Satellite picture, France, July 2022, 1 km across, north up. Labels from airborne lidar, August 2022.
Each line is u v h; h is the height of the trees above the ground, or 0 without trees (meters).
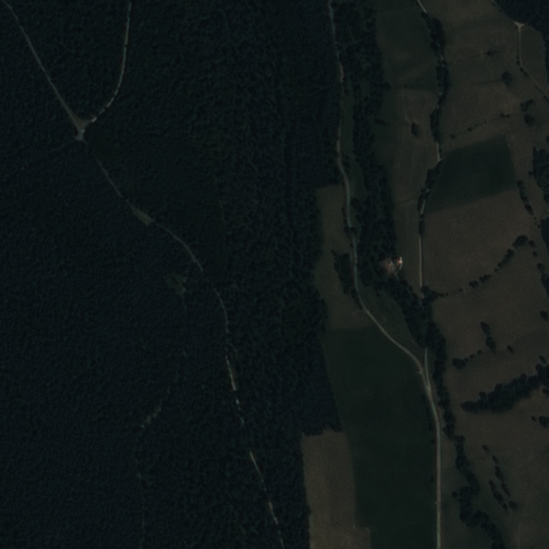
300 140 30
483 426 0
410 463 0
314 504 0
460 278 0
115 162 13
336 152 16
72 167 18
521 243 13
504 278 0
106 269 19
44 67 14
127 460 25
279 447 30
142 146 16
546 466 0
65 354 23
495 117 0
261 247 26
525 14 27
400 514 0
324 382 29
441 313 0
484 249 0
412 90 0
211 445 16
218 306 15
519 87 0
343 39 14
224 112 30
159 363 18
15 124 24
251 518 15
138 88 14
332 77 32
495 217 0
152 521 22
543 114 0
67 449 22
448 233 0
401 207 0
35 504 20
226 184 23
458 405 0
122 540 20
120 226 20
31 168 17
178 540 21
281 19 13
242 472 29
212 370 15
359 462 0
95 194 17
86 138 17
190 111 26
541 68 0
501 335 0
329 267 0
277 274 21
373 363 0
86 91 11
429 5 0
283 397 34
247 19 10
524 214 0
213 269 15
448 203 0
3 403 21
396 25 0
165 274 24
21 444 14
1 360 17
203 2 29
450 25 0
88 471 19
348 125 0
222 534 14
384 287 25
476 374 0
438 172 13
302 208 30
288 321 12
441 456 0
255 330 11
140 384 14
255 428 35
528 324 0
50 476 22
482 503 0
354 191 0
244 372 8
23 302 18
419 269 0
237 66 10
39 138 23
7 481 19
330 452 0
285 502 23
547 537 0
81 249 12
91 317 25
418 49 0
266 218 26
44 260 23
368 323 0
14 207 22
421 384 0
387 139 0
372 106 5
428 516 0
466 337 0
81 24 10
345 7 16
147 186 14
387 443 0
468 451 0
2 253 25
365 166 21
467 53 0
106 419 19
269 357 8
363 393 0
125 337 18
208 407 23
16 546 17
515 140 0
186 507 20
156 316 21
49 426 19
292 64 12
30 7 13
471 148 0
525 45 0
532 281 0
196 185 10
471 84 0
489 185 0
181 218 11
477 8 0
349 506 0
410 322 17
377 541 0
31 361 19
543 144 0
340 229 0
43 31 8
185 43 19
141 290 18
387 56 0
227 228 10
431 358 0
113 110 14
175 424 17
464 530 0
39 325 18
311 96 12
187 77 20
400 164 0
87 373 21
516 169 0
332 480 0
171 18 10
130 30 11
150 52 12
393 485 0
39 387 21
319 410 28
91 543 19
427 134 0
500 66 0
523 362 0
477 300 0
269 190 32
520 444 0
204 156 14
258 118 6
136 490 20
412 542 0
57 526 20
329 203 0
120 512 21
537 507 0
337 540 0
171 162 14
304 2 32
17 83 19
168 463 20
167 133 11
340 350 0
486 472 0
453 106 0
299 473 32
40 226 17
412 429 0
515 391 12
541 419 9
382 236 8
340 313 0
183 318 21
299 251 13
